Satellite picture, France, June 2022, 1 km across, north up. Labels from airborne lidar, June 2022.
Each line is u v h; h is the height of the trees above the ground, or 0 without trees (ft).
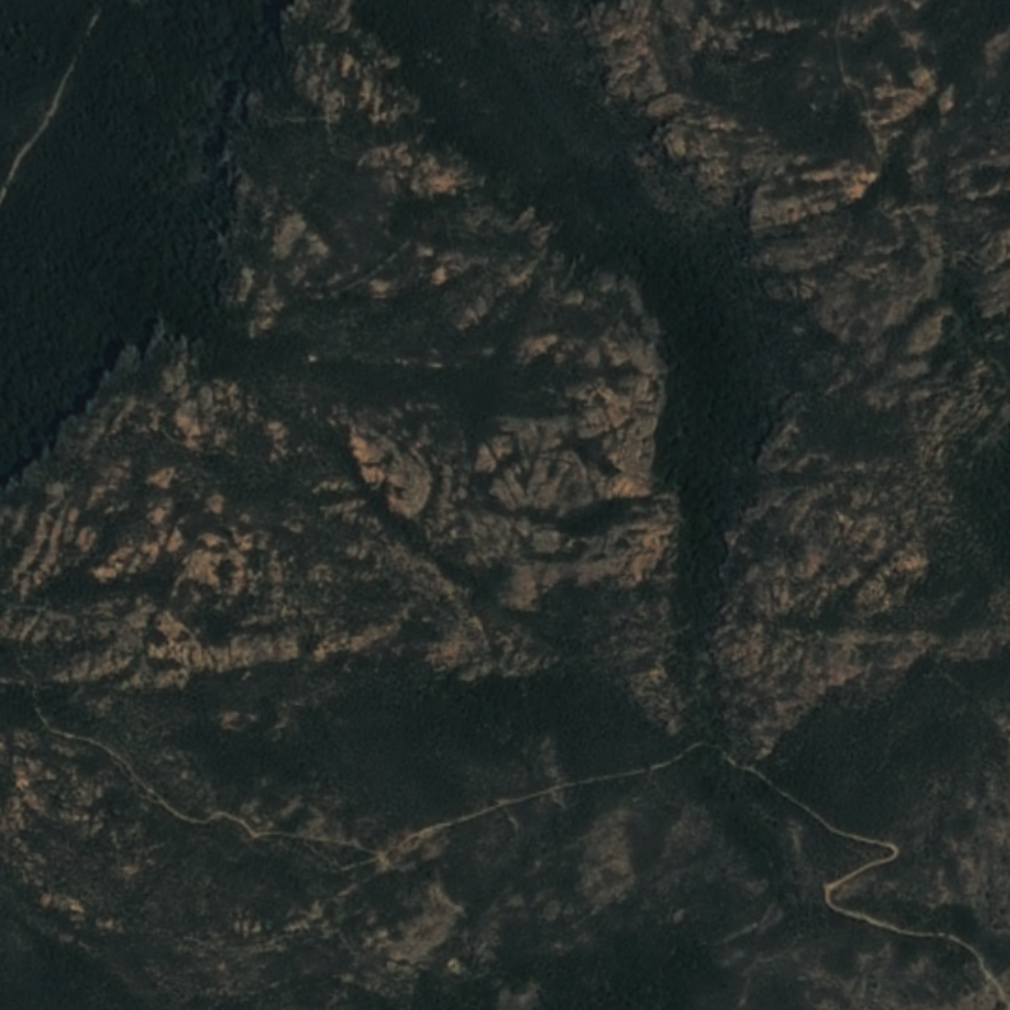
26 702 20
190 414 0
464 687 26
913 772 19
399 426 0
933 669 18
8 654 20
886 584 24
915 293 0
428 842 0
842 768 22
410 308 19
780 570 0
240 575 0
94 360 45
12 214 26
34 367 49
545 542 0
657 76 0
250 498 19
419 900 0
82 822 0
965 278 24
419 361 0
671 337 36
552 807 0
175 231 35
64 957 19
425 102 20
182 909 0
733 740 23
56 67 19
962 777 20
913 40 0
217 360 30
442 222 0
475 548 0
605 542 0
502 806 0
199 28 30
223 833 0
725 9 22
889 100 0
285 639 0
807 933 21
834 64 0
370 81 36
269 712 24
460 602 0
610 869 0
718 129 0
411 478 0
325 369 20
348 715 20
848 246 21
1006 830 0
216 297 23
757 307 23
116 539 23
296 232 0
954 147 0
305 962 0
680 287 42
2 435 53
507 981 27
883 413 18
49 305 26
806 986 0
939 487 24
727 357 34
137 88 30
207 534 0
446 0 24
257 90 23
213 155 43
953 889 0
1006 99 25
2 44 29
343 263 0
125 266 46
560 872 0
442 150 33
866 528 0
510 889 0
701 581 42
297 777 22
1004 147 0
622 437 0
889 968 0
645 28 0
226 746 21
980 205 19
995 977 0
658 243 27
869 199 21
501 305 18
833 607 20
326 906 0
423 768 20
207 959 0
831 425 19
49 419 49
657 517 0
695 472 64
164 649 0
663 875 0
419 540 22
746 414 22
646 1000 27
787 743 31
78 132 30
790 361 23
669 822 0
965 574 22
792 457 21
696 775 24
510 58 18
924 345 0
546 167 17
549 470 0
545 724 20
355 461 25
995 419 31
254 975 0
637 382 0
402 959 0
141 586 22
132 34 38
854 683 22
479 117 22
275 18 86
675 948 20
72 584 25
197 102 28
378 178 0
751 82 20
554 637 21
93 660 0
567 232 24
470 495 0
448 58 23
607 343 0
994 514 30
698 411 45
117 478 0
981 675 23
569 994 24
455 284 25
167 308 48
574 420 0
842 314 0
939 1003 0
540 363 22
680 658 25
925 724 19
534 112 30
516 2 25
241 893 0
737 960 0
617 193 27
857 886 0
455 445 0
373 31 31
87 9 21
